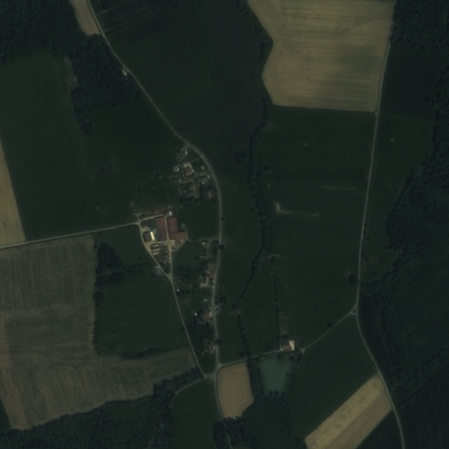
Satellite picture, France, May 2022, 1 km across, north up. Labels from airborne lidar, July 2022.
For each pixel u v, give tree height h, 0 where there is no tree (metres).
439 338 6
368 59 0
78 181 0
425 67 0
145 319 0
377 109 0
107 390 0
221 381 0
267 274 0
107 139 0
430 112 0
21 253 0
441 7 25
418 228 23
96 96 20
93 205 0
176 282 0
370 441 0
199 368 0
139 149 0
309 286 0
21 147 0
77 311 0
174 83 0
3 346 0
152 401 11
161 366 0
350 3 0
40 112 0
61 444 23
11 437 20
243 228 0
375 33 0
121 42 0
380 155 0
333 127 0
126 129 0
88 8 0
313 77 0
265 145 0
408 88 0
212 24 0
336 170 0
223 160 0
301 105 0
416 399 0
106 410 17
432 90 0
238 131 0
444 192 18
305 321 0
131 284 0
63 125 0
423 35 26
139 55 0
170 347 0
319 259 0
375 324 0
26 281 0
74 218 0
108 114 0
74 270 0
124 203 0
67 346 0
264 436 17
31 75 0
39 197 0
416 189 24
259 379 16
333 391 0
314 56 0
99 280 18
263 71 0
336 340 0
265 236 18
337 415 0
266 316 0
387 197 0
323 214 0
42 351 0
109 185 0
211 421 0
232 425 24
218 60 0
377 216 0
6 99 0
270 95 0
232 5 0
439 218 20
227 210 0
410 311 6
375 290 18
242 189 0
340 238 0
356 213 0
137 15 0
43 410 0
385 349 0
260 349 0
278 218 0
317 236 0
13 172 0
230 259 0
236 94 0
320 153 0
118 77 26
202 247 0
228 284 0
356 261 0
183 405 0
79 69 23
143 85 0
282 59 0
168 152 0
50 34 25
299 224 0
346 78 0
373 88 0
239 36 0
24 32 26
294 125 0
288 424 11
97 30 0
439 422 0
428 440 0
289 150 0
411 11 27
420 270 7
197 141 0
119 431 13
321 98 0
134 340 0
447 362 9
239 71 0
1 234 0
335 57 0
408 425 0
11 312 0
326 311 0
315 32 0
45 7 29
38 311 0
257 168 11
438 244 14
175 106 0
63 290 0
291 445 16
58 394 0
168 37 0
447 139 23
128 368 0
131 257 0
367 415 0
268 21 0
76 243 0
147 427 15
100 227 0
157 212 0
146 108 0
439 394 0
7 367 0
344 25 0
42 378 0
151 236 0
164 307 0
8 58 19
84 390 0
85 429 25
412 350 12
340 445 0
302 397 0
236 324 0
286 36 0
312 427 0
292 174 0
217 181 0
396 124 0
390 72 0
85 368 0
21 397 0
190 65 0
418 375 23
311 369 0
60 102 0
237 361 0
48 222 0
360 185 0
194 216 0
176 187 0
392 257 0
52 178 0
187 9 0
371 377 0
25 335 0
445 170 29
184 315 0
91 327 0
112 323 0
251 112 0
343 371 0
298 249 0
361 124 0
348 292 0
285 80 0
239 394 0
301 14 0
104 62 24
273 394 16
